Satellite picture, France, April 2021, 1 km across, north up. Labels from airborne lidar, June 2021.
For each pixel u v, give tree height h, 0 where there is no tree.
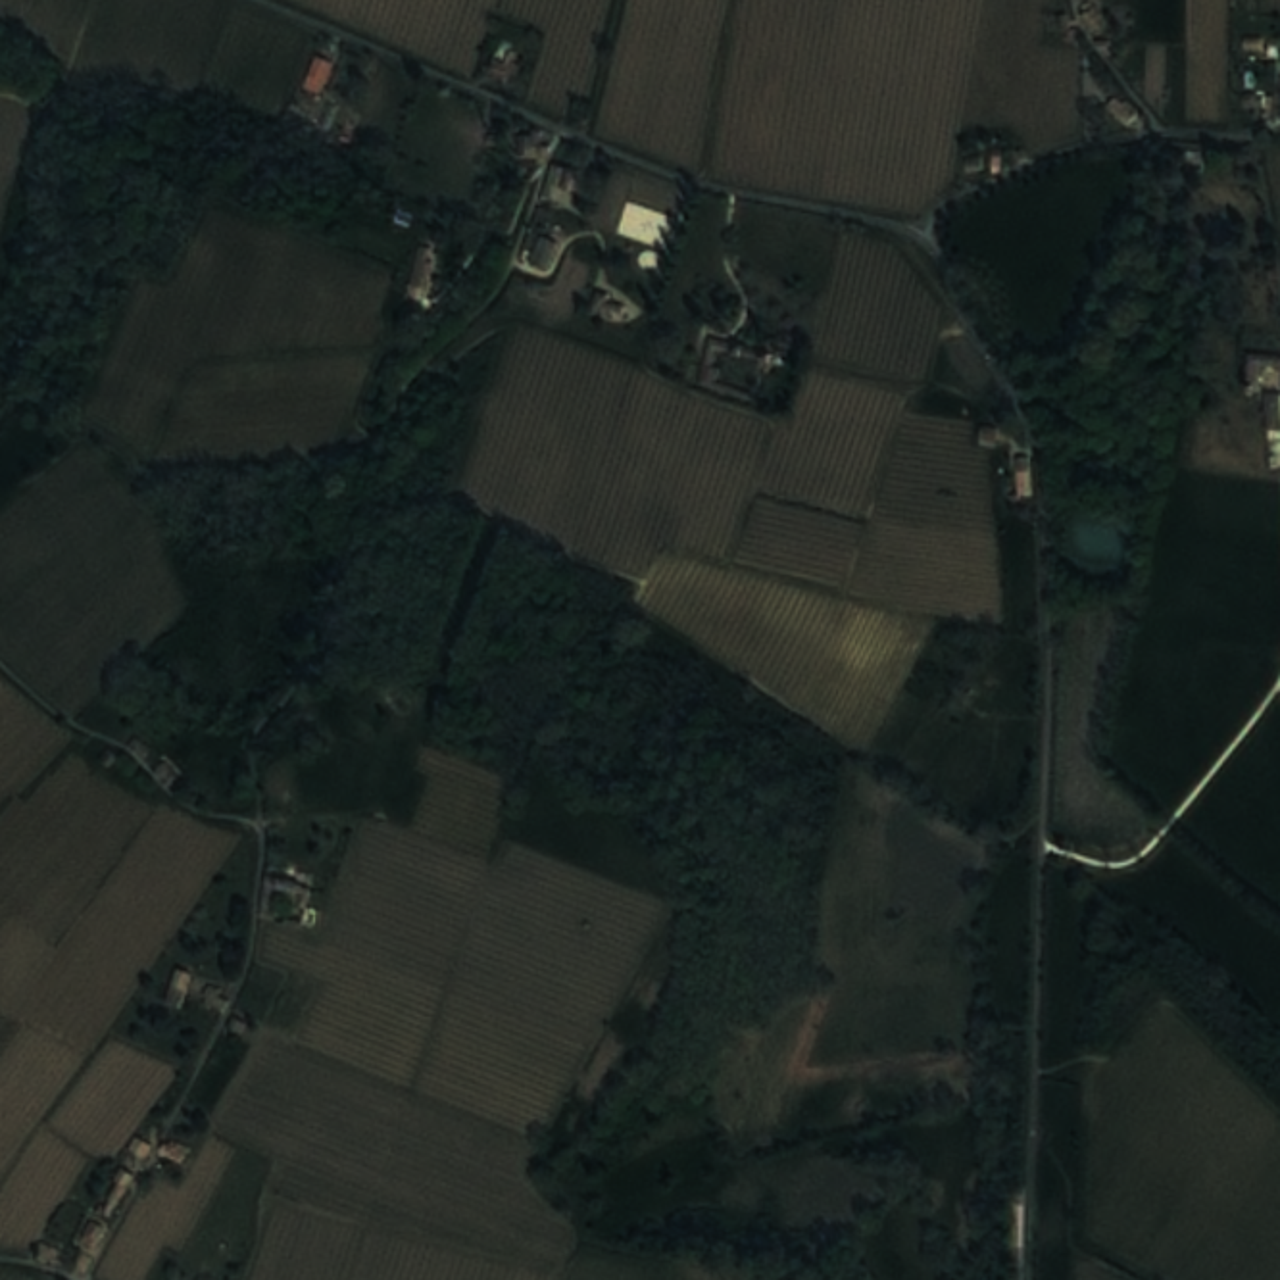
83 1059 0
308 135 21
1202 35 0
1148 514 22
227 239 0
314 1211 0
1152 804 20
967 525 0
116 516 0
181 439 0
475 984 0
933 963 0
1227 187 0
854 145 0
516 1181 0
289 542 24
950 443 0
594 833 0
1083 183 0
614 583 19
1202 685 0
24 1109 0
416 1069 0
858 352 0
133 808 0
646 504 0
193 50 0
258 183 13
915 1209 11
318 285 0
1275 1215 0
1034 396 30
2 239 0
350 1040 0
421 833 0
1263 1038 10
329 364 0
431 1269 0
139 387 0
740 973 13
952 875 0
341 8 0
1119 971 8
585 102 11
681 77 0
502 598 20
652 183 0
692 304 6
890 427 0
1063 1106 0
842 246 0
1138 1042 0
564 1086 0
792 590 0
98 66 0
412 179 0
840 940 0
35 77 27
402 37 0
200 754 0
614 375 0
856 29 0
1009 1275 13
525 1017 0
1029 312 0
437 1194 0
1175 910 0
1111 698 20
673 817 15
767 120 0
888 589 0
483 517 22
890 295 0
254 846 0
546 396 0
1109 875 9
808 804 19
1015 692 0
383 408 14
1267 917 20
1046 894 6
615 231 0
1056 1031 0
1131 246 29
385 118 0
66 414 19
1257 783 0
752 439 0
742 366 14
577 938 0
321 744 16
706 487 0
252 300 0
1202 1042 0
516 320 0
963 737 0
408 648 23
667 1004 13
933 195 0
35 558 0
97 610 0
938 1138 0
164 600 0
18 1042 0
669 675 24
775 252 0
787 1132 0
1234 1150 0
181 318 0
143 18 0
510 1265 0
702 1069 22
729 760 22
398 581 24
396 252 0
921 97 0
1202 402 13
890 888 0
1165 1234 0
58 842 0
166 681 21
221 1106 0
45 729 0
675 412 0
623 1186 0
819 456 0
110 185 19
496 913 0
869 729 0
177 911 0
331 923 0
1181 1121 0
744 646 0
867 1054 0
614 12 0
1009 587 8
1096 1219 0
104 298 14
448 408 8
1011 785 0
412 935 0
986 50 0
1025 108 0
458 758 19
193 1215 0
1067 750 0
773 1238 9
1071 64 0
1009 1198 12
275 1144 0
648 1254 7
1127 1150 0
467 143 0
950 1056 15
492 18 10
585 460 0
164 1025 18
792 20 0
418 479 11
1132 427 25
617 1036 0
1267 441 0
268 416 0
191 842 0
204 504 19
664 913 0
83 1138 0
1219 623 0
